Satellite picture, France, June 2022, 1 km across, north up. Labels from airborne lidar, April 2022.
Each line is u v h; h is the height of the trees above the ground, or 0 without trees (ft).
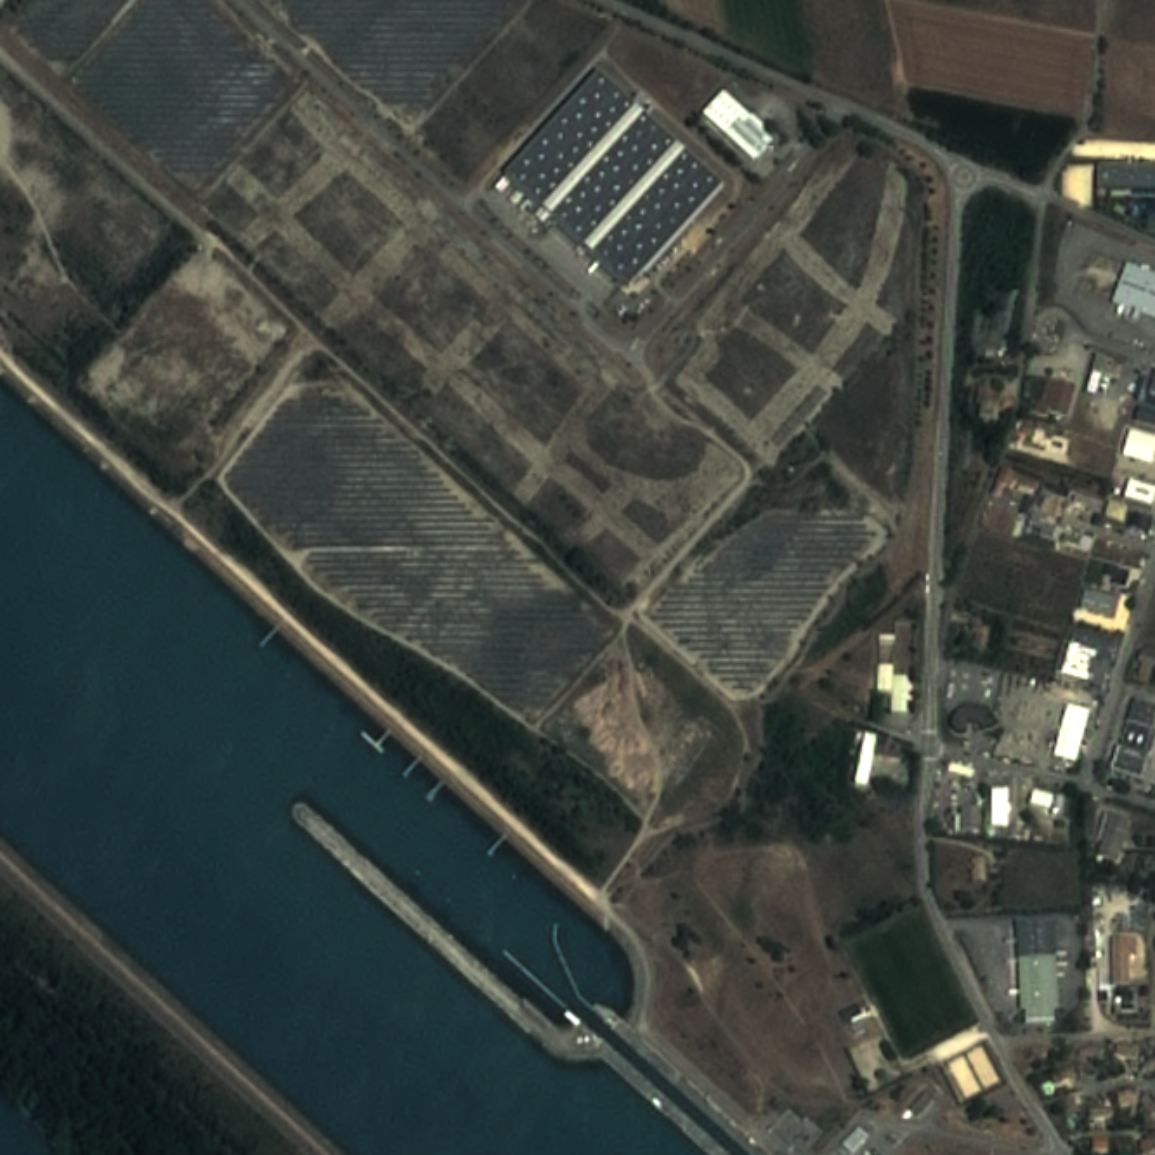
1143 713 0
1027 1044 0
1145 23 0
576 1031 0
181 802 0
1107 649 0
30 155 0
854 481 0
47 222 0
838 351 0
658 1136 0
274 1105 0
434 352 0
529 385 0
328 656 0
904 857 0
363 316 0
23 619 0
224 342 0
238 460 0
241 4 0
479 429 0
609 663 0
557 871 0
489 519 0
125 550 0
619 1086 0
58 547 0
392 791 0
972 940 0
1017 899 0
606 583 26
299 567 0
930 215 20
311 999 0
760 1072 0
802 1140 0
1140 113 0
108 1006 36
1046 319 0
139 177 0
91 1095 88
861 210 0
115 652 0
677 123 0
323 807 0
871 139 28
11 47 0
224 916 0
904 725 0
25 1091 36
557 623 0
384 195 0
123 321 33
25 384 0
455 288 0
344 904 0
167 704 0
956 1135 0
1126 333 0
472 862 0
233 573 0
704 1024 0
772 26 0
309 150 0
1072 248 0
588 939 0
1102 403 0
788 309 0
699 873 0
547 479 0
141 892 0
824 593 0
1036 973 0
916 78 0
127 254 0
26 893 0
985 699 0
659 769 0
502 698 0
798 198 0
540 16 0
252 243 0
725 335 0
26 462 0
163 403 0
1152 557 0
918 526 0
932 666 0
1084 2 0
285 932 0
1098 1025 0
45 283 0
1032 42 0
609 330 0
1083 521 0
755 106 0
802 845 0
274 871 0
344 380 0
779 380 0
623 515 0
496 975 0
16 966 88
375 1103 0
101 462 0
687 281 0
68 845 0
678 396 0
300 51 0
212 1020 0
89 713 0
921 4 0
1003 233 21
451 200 0
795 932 0
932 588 0
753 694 0
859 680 0
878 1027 0
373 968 0
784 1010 0
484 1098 0
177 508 0
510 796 36
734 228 0
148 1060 71
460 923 0
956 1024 0
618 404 0
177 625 0
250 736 0
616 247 0
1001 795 0
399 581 0
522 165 0
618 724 0
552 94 0
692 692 0
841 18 0
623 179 0
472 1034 0
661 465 0
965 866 0
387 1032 0
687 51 31
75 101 0
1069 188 0
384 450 0
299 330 0
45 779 0
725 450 0
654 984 0
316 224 0
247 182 0
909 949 0
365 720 0
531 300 0
